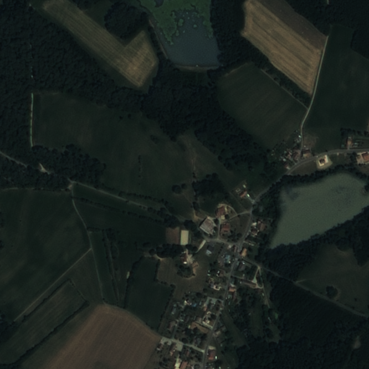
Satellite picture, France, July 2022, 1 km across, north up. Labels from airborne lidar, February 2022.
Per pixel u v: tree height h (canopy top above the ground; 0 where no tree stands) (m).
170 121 14
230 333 11
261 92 0
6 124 29
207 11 0
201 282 0
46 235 0
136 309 0
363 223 22
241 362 12
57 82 29
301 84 0
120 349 0
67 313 0
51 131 0
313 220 0
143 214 0
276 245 0
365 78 0
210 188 8
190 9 0
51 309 0
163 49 0
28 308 0
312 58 0
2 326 15
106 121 0
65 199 0
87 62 21
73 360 0
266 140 0
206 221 0
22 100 26
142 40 0
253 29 0
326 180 0
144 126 0
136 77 0
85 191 0
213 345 0
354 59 0
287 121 0
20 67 25
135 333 0
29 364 0
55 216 0
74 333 0
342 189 0
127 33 20
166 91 26
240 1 7
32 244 0
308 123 0
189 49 0
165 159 0
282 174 0
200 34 0
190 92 23
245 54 15
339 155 0
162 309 0
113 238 8
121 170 0
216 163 0
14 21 26
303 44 0
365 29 15
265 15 0
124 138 0
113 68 0
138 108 25
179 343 0
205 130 16
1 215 21
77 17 0
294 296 6
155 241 0
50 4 0
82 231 0
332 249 0
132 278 10
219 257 0
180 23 0
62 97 0
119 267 0
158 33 0
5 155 17
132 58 0
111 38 0
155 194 0
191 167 0
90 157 22
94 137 0
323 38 0
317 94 0
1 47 26
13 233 0
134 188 0
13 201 0
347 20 20
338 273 0
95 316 0
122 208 0
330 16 18
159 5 0
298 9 18
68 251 0
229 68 23
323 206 0
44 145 0
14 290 0
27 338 0
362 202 0
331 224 0
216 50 0
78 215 0
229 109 0
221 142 7
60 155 23
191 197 0
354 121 0
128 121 0
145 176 0
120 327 0
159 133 0
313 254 25
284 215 0
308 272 0
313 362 22
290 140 0
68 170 27
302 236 0
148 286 0
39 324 0
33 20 25
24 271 0
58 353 0
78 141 0
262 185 0
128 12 29
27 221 0
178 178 0
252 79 0
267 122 0
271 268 15
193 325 0
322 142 0
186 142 0
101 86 28
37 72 25
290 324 18
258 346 20
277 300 19
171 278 0
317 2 20
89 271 0
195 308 8
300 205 0
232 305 0
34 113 0
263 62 14
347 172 0
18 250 0
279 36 0
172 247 7
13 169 25
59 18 0
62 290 0
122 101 30
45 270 0
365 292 0
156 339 0
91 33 0
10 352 0
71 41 19
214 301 0
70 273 0
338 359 15
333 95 0
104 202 0
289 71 0
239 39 19
